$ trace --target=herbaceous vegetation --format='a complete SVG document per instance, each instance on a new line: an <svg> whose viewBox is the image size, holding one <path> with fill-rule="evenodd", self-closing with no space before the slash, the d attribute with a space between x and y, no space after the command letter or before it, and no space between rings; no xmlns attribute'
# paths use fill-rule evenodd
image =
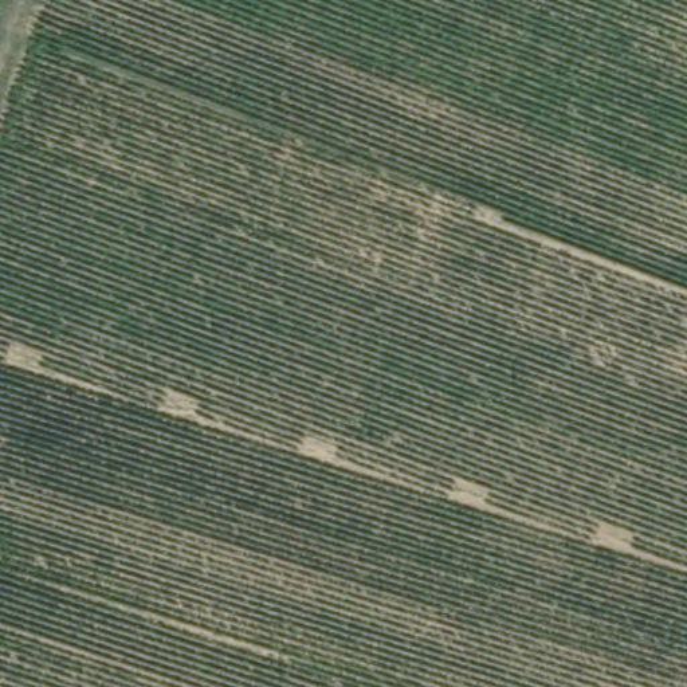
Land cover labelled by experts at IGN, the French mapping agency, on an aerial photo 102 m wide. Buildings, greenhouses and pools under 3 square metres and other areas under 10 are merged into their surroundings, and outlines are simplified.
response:
<svg viewBox="0 0 687 687"><path fill-rule="evenodd" d="M8 113L8 94L24 67L30 35L35 32L35 21L40 19L48 0L0 0L0 126Z"/></svg>

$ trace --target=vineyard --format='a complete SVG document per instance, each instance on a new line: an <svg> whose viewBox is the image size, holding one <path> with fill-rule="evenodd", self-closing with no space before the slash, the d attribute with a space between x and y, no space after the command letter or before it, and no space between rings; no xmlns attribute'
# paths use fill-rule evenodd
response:
<svg viewBox="0 0 687 687"><path fill-rule="evenodd" d="M35 32L30 35L24 67L8 94L8 113L0 126L0 687L687 687L687 0L48 0L40 19L35 21Z"/></svg>

